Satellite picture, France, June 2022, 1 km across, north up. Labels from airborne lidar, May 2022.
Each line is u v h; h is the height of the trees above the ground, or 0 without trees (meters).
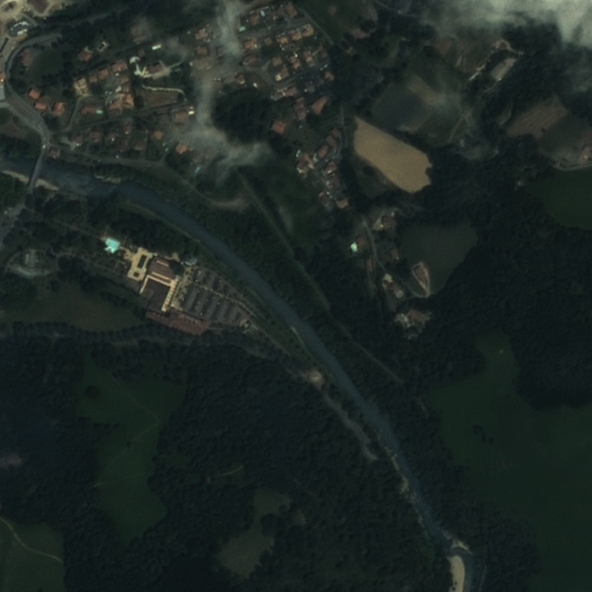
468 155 20
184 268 24
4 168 0
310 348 0
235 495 20
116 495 0
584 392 19
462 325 32
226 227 28
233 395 15
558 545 0
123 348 0
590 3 29
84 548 22
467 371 15
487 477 0
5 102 0
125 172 26
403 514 13
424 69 0
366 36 12
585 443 0
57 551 0
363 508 24
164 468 17
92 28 16
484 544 17
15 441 13
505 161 20
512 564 20
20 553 0
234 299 10
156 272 0
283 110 6
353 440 12
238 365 19
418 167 0
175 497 20
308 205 0
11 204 9
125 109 0
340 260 9
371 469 8
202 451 21
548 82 25
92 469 12
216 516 18
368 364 20
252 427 20
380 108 0
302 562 16
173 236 32
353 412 26
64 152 8
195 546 21
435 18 32
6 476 16
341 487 23
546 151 0
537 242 21
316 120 17
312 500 18
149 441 0
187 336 18
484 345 0
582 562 0
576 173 0
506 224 26
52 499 29
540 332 19
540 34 27
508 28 26
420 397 13
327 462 22
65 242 28
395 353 23
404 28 19
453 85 0
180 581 23
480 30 0
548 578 0
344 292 22
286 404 29
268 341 11
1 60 0
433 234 0
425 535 18
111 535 13
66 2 0
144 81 22
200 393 21
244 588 16
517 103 13
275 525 19
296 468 21
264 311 8
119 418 0
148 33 0
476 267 15
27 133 0
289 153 13
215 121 12
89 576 20
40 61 0
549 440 0
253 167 16
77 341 15
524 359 18
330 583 14
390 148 0
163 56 18
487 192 23
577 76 25
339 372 0
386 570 15
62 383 28
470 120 0
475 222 15
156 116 7
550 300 31
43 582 0
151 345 15
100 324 0
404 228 15
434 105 0
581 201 0
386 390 25
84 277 21
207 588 24
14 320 0
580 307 29
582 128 0
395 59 0
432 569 12
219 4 10
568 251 26
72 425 20
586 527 0
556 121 0
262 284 0
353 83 0
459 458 0
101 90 22
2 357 23
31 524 9
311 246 0
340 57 34
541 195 0
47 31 7
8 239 14
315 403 22
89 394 13
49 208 23
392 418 29
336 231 20
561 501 0
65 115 0
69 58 14
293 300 30
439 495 20
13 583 0
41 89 6
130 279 0
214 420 25
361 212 18
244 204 0
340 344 24
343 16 0
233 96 13
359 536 23
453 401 0
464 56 0
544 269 22
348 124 15
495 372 0
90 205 16
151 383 0
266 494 0
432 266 0
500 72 0
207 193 11
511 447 0
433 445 21
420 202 20
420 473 22
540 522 0
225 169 11
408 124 0
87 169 10
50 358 29
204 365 19
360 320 20
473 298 29
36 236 19
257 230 18
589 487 0
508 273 27
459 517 29
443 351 27
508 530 7
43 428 24
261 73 0
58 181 0
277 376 17
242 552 0
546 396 19
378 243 8
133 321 0
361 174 0
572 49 25
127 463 0
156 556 12
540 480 0
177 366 9
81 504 22
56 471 20
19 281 27
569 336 20
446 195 27
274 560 19
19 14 0
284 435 20
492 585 25
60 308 0
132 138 0
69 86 6
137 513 0
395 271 11
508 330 18
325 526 14
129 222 27
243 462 6
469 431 0
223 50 0
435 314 22
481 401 0
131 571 14
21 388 24
